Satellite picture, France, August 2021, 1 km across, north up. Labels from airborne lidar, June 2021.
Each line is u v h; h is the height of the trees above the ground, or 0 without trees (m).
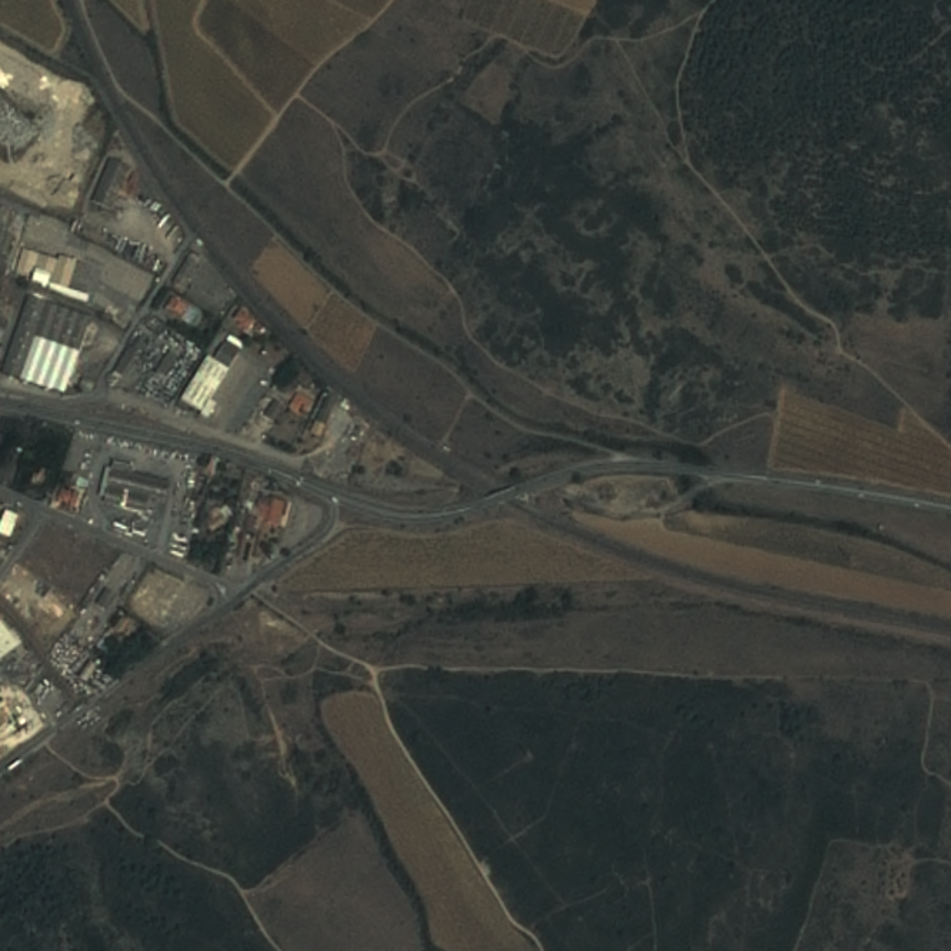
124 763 0
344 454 0
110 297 0
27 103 0
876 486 0
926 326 0
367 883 0
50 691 0
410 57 0
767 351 0
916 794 0
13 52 0
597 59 0
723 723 0
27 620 0
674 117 0
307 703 0
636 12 0
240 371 0
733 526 0
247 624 0
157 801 0
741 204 0
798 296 0
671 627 0
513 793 0
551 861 0
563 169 0
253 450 0
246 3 0
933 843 0
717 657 0
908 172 0
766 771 0
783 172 0
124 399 0
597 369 0
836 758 6
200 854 0
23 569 0
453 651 0
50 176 0
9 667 0
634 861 0
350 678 0
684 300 0
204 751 0
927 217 7
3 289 0
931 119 6
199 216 0
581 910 0
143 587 0
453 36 0
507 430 0
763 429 0
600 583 0
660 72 0
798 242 0
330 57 0
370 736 0
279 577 0
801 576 0
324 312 0
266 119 0
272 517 0
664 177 0
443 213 0
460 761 0
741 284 0
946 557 0
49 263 0
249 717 0
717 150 7
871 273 0
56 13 0
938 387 0
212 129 0
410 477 0
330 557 0
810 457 0
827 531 0
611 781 0
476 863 0
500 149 0
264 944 0
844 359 0
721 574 0
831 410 0
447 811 0
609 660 0
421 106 0
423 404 0
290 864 0
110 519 0
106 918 0
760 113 9
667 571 0
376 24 0
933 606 0
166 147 0
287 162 0
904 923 0
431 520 0
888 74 8
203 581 0
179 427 0
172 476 0
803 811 0
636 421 0
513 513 0
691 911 0
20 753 0
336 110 0
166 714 0
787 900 0
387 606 0
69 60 0
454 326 0
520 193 0
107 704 0
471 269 0
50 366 0
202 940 0
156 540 0
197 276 0
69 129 0
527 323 0
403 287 0
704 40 7
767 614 0
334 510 0
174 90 0
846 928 0
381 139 0
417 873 0
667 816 0
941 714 0
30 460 8
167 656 0
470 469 0
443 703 0
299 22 0
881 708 0
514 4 0
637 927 0
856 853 0
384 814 0
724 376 0
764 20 6
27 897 7
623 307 0
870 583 0
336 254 0
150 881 10
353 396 0
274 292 0
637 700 0
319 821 0
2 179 0
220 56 0
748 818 0
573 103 0
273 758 0
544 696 0
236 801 0
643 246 0
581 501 0
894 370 0
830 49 7
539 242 0
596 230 0
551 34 0
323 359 0
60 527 0
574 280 0
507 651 0
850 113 6
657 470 0
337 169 0
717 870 0
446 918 0
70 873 7
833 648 0
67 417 0
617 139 0
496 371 0
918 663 0
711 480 0
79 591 0
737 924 0
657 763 0
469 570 0
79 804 0
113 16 0
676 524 0
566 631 0
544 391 0
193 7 0
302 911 0
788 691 0
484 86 0
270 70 0
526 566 0
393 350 0
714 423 0
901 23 7
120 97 0
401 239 0
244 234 0
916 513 0
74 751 0
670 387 0
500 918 0
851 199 9
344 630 6
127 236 0
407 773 0
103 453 0
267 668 0
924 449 0
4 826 0
